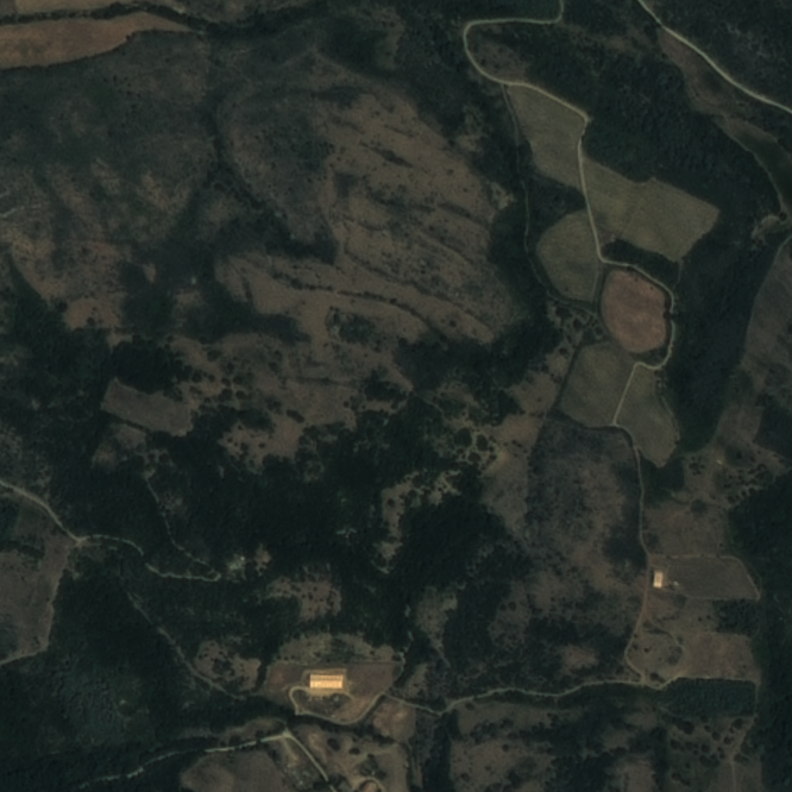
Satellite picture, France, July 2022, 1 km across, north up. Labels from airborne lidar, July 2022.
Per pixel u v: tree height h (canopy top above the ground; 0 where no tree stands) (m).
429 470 7
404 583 12
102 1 0
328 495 9
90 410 8
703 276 7
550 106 0
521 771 0
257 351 0
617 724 8
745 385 0
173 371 7
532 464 8
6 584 0
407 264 0
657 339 0
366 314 0
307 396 0
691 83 0
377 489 7
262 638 10
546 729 6
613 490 0
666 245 0
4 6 0
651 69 10
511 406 7
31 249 0
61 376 9
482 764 0
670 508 0
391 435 8
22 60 0
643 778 0
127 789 9
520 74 0
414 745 6
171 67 0
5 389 7
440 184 0
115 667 8
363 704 0
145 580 6
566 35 6
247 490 9
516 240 10
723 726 0
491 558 10
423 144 0
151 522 8
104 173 0
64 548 0
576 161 0
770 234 9
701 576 0
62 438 5
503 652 6
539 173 0
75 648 7
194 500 9
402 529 7
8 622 0
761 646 6
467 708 9
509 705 0
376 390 6
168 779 6
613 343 0
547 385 0
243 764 0
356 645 0
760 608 6
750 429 0
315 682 0
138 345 9
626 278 0
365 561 11
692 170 12
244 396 9
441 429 6
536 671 8
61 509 6
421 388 7
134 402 0
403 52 6
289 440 0
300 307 0
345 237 0
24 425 5
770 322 0
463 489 13
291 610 7
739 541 9
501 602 5
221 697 6
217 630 7
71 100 0
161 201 0
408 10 6
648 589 0
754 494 10
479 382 7
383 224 0
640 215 0
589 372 0
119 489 10
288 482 8
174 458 7
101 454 0
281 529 13
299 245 6
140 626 10
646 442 0
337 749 7
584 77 6
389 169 0
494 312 0
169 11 11
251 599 7
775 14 6
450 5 8
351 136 0
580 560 0
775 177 0
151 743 6
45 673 6
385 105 0
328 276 0
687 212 0
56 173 0
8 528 14
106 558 8
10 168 0
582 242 0
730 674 0
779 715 10
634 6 10
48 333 8
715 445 0
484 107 11
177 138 0
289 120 0
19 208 0
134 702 6
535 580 0
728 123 0
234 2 0
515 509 0
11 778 22
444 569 9
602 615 0
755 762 0
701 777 0
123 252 0
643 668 0
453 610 7
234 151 0
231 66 0
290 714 7
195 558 8
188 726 9
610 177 0
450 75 10
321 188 0
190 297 0
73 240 0
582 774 7
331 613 6
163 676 8
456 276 0
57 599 8
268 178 0
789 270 0
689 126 8
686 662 0
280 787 0
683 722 10
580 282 0
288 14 10
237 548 11
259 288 0
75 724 12
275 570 9
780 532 6
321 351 0
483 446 9
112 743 6
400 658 7
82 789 6
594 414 0
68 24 0
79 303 0
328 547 11
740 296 6
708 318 6
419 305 0
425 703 7
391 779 0
